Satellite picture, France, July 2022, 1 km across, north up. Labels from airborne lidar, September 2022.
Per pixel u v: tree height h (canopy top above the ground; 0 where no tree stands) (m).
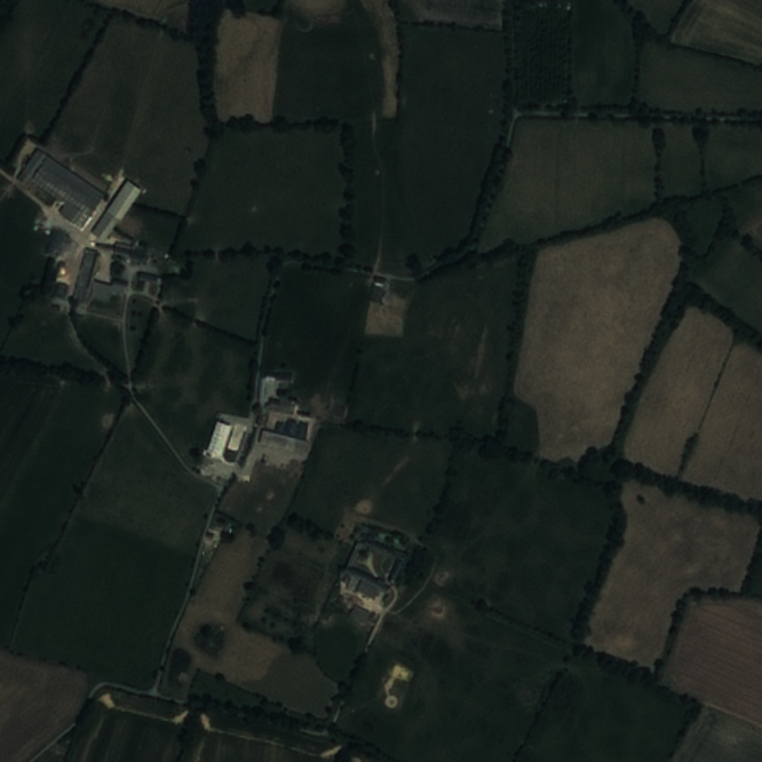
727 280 0
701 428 0
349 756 12
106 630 0
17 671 0
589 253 0
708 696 0
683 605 10
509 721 0
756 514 22
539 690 0
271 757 0
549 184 0
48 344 0
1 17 18
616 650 0
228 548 0
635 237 0
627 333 0
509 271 0
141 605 0
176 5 0
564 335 0
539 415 0
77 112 0
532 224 0
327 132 18
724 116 7
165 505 0
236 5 30
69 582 0
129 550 0
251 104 0
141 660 0
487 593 0
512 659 0
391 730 0
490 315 0
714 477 0
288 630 0
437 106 0
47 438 0
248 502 0
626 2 14
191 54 0
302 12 0
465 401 0
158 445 0
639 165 0
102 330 0
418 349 0
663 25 0
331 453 0
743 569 0
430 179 0
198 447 0
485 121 0
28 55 0
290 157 0
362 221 0
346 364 0
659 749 0
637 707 0
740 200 0
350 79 0
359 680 14
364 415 0
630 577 0
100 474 0
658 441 0
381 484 0
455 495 0
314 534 19
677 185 0
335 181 0
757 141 0
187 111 0
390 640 0
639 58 5
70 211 0
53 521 0
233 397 0
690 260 15
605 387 0
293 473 0
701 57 8
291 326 0
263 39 0
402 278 0
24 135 8
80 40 0
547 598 0
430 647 0
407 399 0
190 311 0
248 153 0
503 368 0
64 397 0
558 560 0
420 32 0
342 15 0
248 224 0
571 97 8
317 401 0
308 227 0
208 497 0
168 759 0
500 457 11
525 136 0
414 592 0
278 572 0
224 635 0
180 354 0
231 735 0
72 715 0
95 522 0
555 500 0
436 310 0
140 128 0
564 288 0
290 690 0
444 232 0
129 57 0
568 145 0
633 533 0
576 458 0
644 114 9
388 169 0
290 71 0
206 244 0
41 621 0
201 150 0
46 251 0
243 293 0
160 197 0
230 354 0
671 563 0
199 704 17
